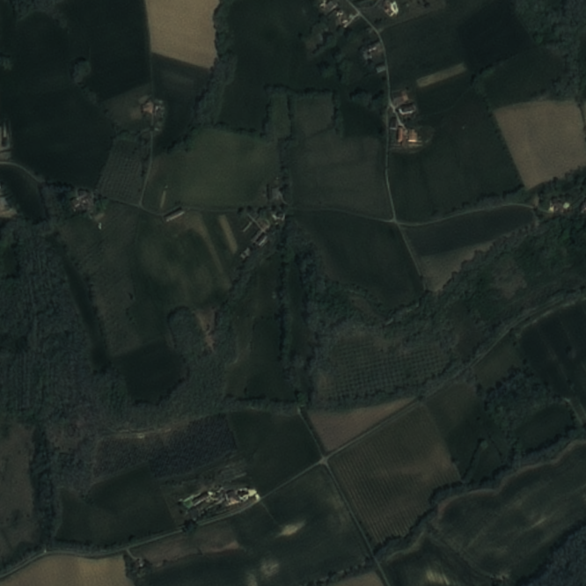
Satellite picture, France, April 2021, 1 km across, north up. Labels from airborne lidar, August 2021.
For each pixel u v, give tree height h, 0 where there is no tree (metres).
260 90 0
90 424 11
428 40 0
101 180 7
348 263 0
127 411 13
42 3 18
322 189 0
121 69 0
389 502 0
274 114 12
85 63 15
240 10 0
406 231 0
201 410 18
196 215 0
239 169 0
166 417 10
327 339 21
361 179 0
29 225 11
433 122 0
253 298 0
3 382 17
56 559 0
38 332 33
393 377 10
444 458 0
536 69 0
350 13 0
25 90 0
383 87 0
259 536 0
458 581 0
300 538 0
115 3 0
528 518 0
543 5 18
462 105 0
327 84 0
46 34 0
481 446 12
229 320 26
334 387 6
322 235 0
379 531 0
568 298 12
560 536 0
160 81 0
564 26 16
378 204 0
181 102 0
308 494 0
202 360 15
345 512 0
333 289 12
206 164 0
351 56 0
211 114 19
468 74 0
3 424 0
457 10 0
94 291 15
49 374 25
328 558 0
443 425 0
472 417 0
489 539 0
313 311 19
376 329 13
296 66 0
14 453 0
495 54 0
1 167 0
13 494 0
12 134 0
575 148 0
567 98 13
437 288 0
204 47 0
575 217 10
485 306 9
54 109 0
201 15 0
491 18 0
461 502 0
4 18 0
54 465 19
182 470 8
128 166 7
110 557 0
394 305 0
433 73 0
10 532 0
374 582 0
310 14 0
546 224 11
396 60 0
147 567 18
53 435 15
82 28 0
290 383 16
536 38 13
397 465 0
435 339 8
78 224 0
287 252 20
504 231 0
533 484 0
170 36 0
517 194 16
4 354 19
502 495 0
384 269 0
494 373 0
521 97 0
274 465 0
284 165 15
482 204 14
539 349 0
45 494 19
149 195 0
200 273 0
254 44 0
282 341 10
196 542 0
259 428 0
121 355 0
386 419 0
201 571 0
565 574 18
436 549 0
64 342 13
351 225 0
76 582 0
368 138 0
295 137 9
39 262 34
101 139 0
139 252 0
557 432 0
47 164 0
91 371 10
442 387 17
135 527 0
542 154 0
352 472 0
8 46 0
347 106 0
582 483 0
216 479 10
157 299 0
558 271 8
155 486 0
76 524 0
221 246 0
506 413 20
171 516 0
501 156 0
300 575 0
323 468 0
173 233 0
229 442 10
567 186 0
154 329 0
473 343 0
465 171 0
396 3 0
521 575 0
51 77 0
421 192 0
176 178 0
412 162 0
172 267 0
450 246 0
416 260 0
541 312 0
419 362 6
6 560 11
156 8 0
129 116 0
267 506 0
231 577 0
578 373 0
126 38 0
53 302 22
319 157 0
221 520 0
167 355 0
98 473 8
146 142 10
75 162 0
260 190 0
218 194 0
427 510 0
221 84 22
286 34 0
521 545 0
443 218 9
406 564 0
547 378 0
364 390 11
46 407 18
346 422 0
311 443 0
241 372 0
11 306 25
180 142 6
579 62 12
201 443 10
